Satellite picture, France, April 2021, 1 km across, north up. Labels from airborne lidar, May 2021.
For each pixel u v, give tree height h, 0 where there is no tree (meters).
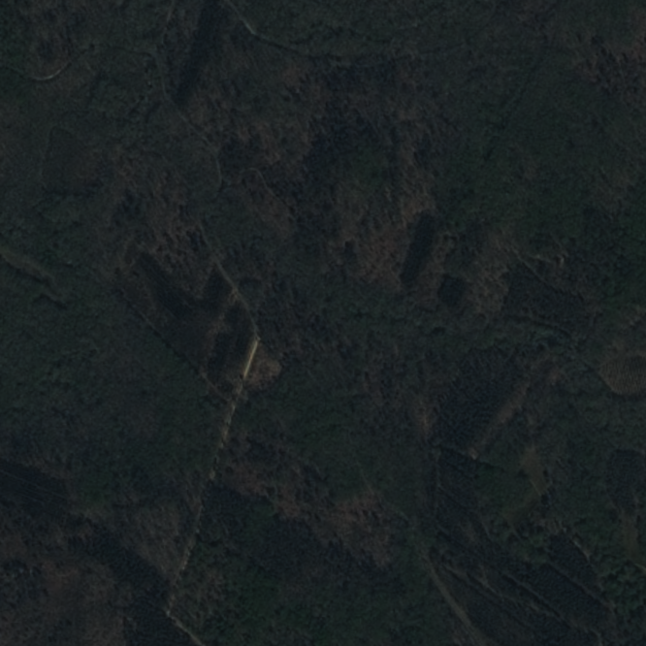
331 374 18
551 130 17
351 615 19
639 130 13
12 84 19
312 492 21
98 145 19
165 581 18
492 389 19
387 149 16
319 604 12
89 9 14
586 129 16
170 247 24
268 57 14
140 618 16
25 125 18
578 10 11
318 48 16
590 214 21
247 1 16
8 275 17
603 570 18
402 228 6
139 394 12
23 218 26
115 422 18
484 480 17
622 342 16
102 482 20
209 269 13
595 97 16
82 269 22
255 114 17
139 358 13
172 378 13
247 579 21
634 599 14
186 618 15
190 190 12
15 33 19
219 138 17
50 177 12
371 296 23
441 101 13
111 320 21
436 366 25
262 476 8
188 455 13
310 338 18
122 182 14
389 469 17
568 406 20
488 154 9
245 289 19
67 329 18
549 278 17
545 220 17
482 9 19
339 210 12
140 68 14
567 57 16
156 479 17
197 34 12
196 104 9
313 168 14
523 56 17
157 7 18
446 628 17
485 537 19
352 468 15
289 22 13
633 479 15
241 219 18
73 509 8
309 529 21
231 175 24
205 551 18
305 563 21
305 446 16
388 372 6
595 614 17
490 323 13
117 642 11
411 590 21
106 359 12
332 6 25
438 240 9
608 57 16
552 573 16
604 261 20
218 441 16
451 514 12
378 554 14
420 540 14
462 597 11
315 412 21
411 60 10
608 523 21
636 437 15
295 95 16
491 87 20
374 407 15
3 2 18
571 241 15
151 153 16
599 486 21
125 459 19
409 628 17
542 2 10
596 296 7
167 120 21
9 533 16
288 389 18
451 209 15
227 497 20
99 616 0
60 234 19
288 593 14
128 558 20
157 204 13
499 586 13
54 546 11
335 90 25
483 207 19
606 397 24
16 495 6
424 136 17
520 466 22
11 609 22
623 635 23
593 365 13
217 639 13
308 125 11
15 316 22
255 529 21
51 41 12
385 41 15
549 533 11
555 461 17
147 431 11
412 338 19
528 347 15
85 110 11
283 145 10
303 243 14
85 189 8
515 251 14
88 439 13
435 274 6
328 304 28
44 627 7
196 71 17
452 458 17
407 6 15
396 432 17
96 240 13
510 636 10
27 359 25
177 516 15
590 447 20
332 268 14
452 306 18
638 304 18
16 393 17
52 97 14
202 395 16
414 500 14
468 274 11
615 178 14
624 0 18
